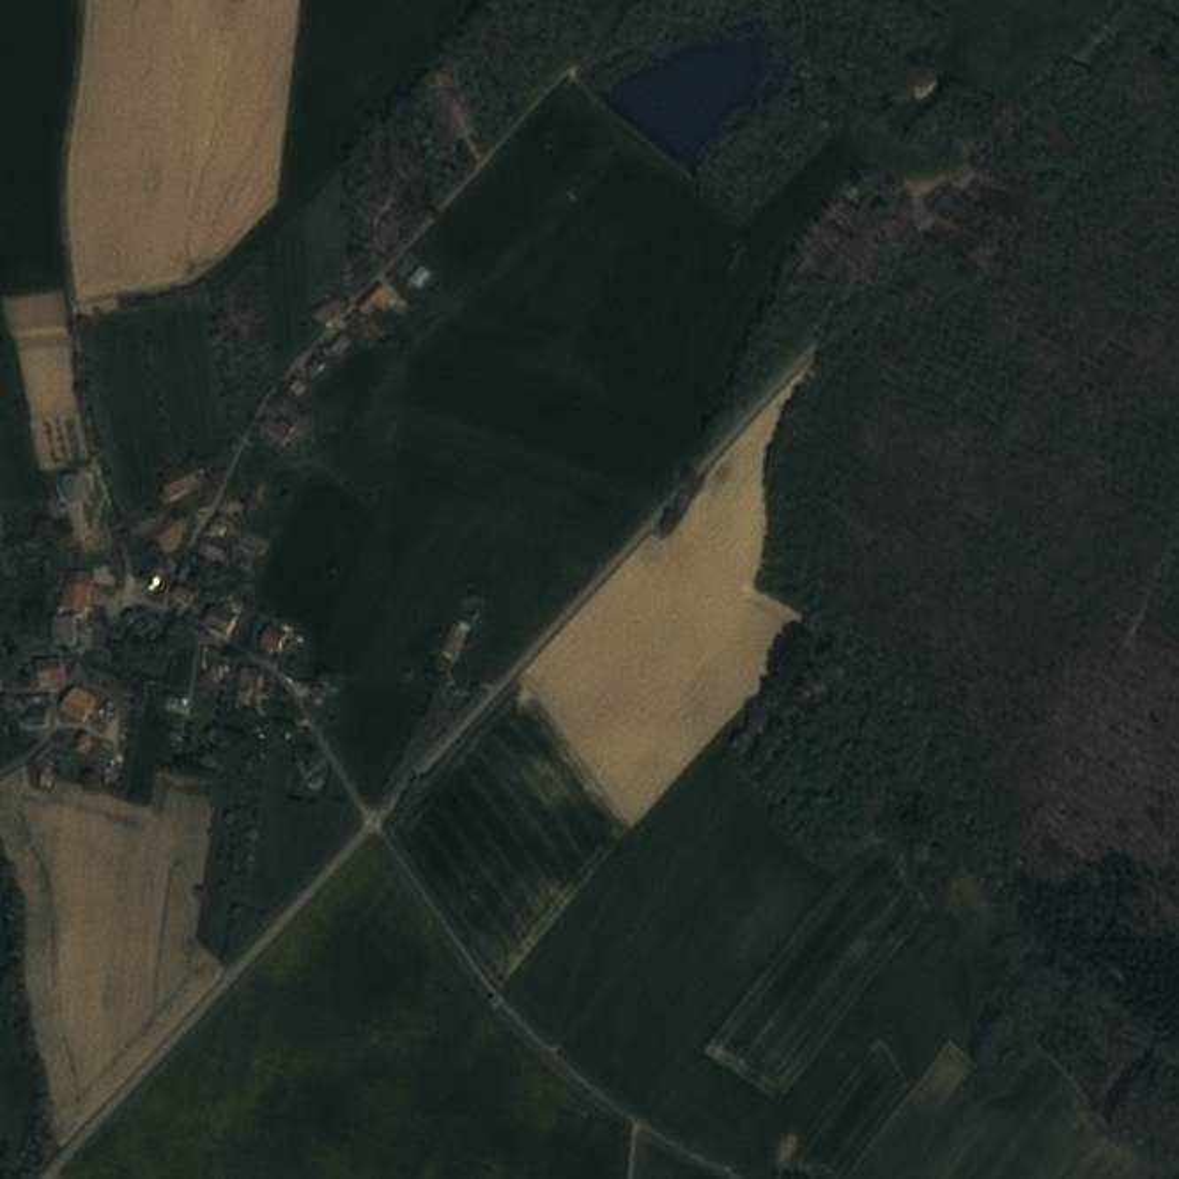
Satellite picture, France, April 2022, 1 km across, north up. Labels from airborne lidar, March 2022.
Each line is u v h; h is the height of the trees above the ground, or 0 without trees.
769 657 0
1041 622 0
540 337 0
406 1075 0
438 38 0
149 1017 0
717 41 0
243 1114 0
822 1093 0
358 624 0
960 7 0
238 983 0
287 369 0
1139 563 0
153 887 0
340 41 0
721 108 0
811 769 21
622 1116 0
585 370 0
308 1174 0
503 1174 0
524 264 0
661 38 19
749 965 0
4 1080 0
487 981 0
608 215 0
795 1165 0
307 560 0
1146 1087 28
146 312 8
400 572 0
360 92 0
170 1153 0
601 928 0
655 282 0
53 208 0
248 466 0
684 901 0
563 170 0
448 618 0
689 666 0
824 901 0
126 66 0
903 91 22
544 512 0
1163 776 0
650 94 0
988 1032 0
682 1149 0
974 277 25
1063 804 0
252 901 0
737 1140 0
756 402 20
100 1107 0
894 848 0
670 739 0
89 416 9
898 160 0
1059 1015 30
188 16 0
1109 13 0
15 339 0
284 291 0
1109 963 26
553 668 0
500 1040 0
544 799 0
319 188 0
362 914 0
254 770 7
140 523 0
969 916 0
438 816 0
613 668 0
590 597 0
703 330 0
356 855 0
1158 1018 26
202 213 0
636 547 0
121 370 0
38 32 0
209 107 0
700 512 0
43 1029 0
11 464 0
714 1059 0
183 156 0
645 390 0
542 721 0
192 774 22
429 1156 0
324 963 0
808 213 0
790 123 26
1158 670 0
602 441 0
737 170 28
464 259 0
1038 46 0
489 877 0
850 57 28
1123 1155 0
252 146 0
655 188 0
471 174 17
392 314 0
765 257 0
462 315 0
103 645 9
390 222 30
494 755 0
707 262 0
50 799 0
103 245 0
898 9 24
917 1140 0
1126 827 12
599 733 0
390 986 0
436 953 0
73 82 0
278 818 0
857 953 0
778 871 0
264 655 7
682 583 0
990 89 0
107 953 0
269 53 0
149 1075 0
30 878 0
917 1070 0
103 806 0
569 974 0
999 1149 0
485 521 0
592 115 0
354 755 0
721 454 0
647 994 0
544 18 29
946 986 0
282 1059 0
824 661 16
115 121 0
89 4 0
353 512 0
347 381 0
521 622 0
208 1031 0
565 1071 0
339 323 0
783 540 16
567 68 20
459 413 0
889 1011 0
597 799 0
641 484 0
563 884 0
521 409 0
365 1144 0
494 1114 0
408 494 0
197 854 0
